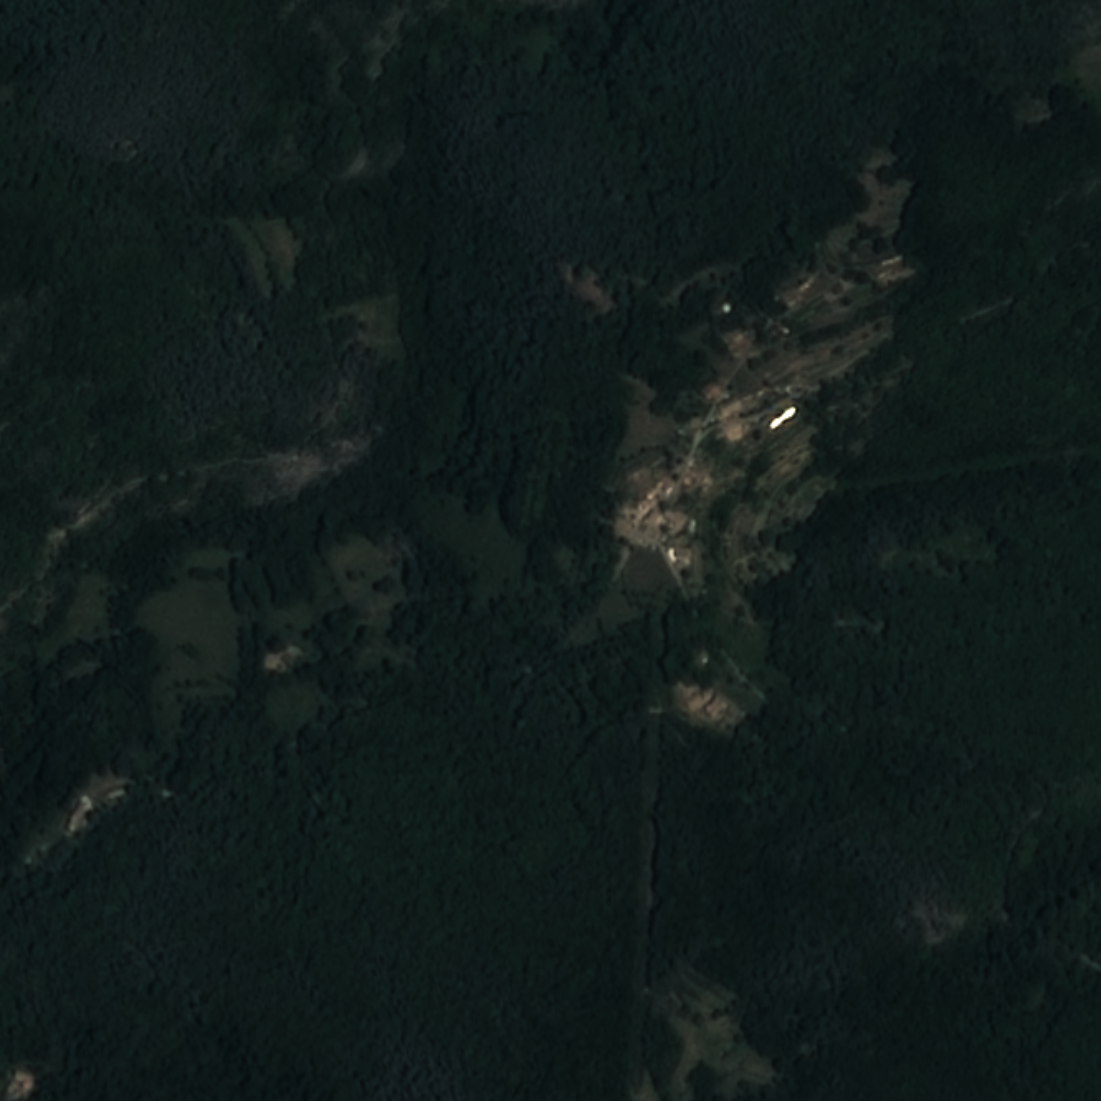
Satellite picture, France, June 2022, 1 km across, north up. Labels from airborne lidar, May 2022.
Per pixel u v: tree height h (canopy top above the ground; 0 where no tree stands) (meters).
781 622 13
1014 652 20
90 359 12
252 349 21
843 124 21
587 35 8
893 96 14
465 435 10
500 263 17
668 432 0
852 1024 22
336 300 12
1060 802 11
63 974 21
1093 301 12
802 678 16
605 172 26
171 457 10
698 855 10
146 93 15
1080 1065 18
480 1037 22
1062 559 18
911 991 23
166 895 18
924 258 15
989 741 20
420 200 17
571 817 14
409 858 21
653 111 22
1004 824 9
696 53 20
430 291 15
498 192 21
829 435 13
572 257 15
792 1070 13
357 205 10
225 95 17
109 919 21
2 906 20
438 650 16
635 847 14
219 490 10
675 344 12
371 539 12
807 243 15
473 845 20
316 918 20
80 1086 10
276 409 16
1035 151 21
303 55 15
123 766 20
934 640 20
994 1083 17
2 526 12
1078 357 13
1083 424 15
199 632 0
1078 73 0
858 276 9
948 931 10
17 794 33
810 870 18
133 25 20
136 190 20
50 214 19
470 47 26
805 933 12
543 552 12
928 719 18
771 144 16
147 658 22
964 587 16
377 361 19
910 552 11
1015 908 19
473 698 12
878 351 7
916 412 12
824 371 0
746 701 0
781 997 14
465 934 20
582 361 20
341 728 15
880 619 22
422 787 22
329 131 14
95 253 17
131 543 13
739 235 19
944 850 17
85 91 24
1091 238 12
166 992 25
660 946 12
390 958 21
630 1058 8
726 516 12
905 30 20
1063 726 21
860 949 14
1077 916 24
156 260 21
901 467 14
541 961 21
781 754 16
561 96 24
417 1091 22
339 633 15
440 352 27
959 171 15
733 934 15
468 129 24
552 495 22
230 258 22
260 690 16
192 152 26
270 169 15
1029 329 20
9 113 17
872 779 14
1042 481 28
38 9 38
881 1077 21
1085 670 19
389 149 7
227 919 26
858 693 12
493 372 18
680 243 17
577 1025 17
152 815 13
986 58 8
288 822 20
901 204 0
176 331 24
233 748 17
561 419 22
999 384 14
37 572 10
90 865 14
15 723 8
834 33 25
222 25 20
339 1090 25
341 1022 32
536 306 24
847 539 21
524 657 7
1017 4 7
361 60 15
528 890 23
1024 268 17
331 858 19
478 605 19
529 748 21
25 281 10
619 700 7
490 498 17
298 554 15
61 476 12
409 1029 26
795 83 20
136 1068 22
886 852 13
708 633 11
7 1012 12
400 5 9
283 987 22
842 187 16
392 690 14
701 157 18
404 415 25
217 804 21
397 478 21
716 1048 0
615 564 7
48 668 10
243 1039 21
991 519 21
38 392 15
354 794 20
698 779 10
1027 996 8
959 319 17
